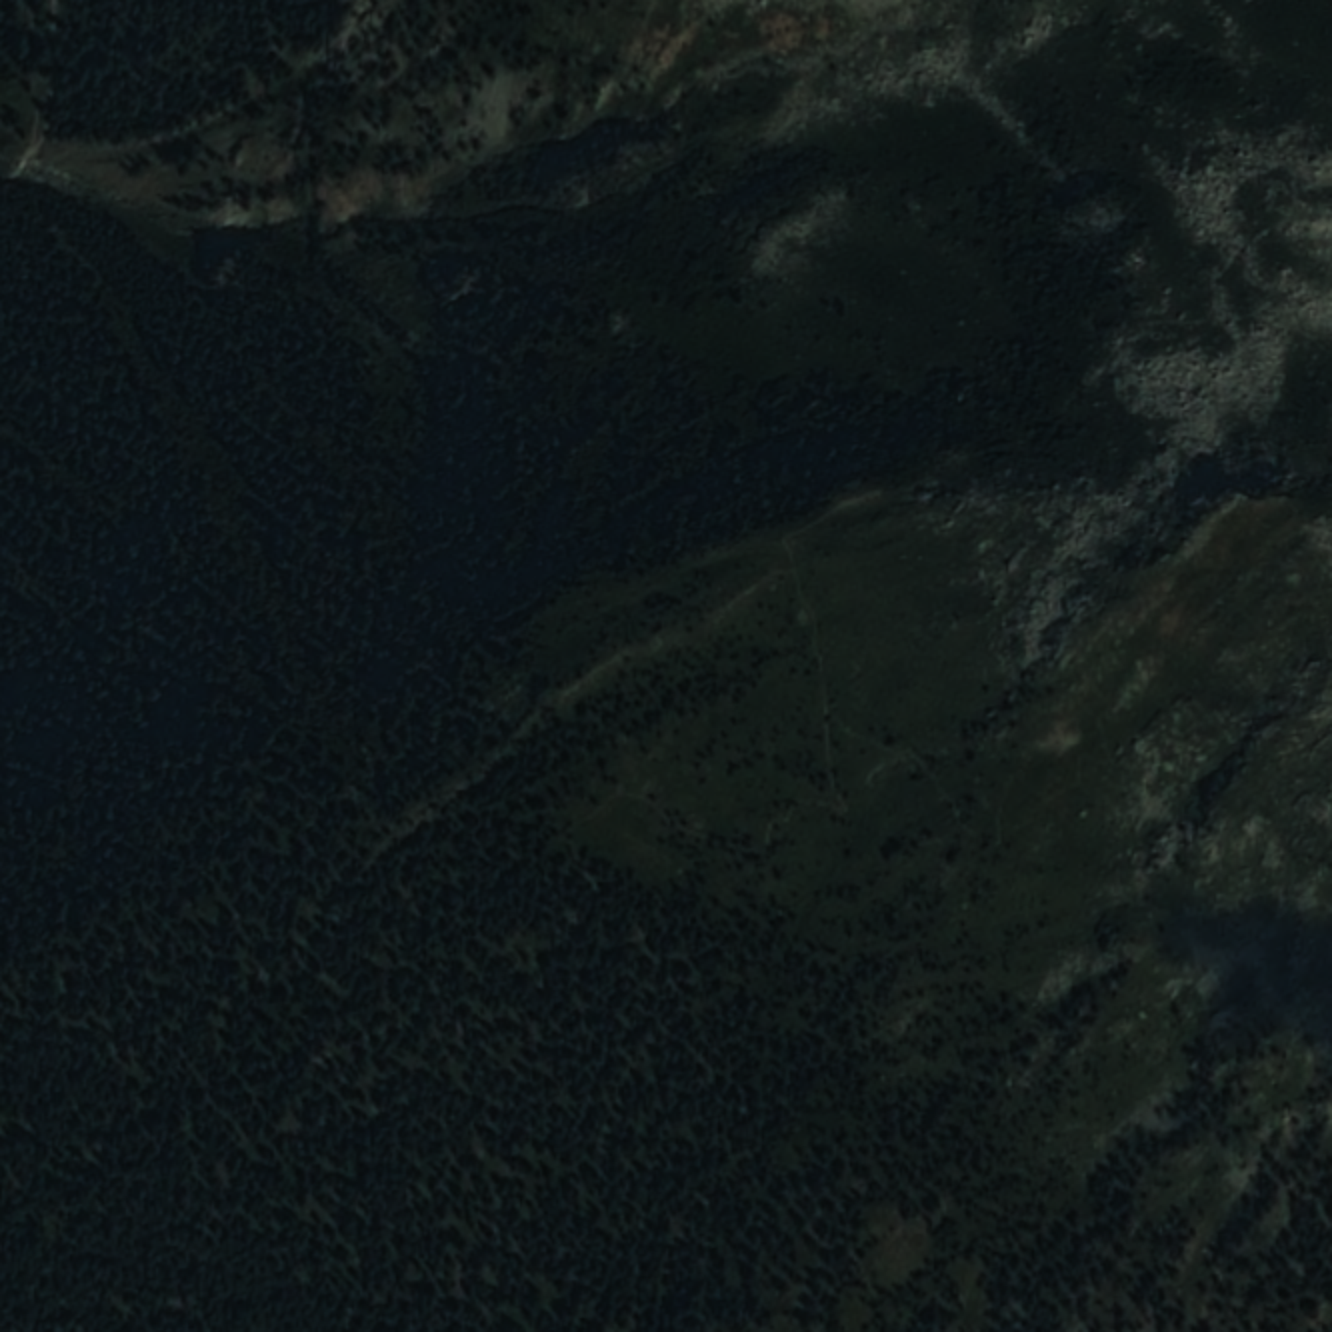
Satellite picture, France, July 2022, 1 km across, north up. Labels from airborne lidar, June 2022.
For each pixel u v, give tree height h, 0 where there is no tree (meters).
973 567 0
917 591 0
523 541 6
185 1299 24
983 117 0
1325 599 0
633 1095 23
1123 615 0
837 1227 16
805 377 0
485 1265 20
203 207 10
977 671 0
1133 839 0
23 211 8
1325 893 0
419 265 7
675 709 13
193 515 22
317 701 10
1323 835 0
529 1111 23
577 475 6
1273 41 0
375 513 10
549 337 11
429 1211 17
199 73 12
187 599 27
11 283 18
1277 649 0
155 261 10
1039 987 0
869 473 5
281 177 0
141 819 19
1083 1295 13
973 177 0
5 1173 25
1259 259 0
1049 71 0
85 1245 20
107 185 0
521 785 12
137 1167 21
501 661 15
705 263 6
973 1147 13
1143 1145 7
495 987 21
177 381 14
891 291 0
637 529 12
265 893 22
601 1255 15
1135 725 0
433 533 12
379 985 19
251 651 11
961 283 0
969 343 0
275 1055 19
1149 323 0
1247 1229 8
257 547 11
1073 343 0
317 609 10
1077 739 0
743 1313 18
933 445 5
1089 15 0
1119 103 0
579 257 9
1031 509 0
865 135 0
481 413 9
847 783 0
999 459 7
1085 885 0
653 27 0
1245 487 7
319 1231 11
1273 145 0
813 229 0
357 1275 18
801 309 0
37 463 19
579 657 0
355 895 21
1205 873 0
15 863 27
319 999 12
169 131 16
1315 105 0
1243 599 0
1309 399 0
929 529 0
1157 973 0
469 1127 19
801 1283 11
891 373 0
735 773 9
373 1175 22
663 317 0
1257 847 0
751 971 11
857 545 0
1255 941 0
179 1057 19
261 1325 27
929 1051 7
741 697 8
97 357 27
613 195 7
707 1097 19
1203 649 0
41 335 23
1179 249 0
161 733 8
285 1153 22
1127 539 0
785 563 0
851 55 0
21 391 24
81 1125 23
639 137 6
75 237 16
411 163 10
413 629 8
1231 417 0
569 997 17
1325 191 0
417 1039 20
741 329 0
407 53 12
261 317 10
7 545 30
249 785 19
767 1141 9
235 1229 20
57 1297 16
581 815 0
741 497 8
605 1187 22
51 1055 23
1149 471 0
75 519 6
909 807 0
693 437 9
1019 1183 10
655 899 9
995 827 0
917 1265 0
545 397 12
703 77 0
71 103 14
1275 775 0
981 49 0
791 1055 7
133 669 6
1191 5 0
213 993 20
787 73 0
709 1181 8
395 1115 17
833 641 0
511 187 10
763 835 0
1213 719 0
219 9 22
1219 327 0
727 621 0
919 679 0
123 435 24
